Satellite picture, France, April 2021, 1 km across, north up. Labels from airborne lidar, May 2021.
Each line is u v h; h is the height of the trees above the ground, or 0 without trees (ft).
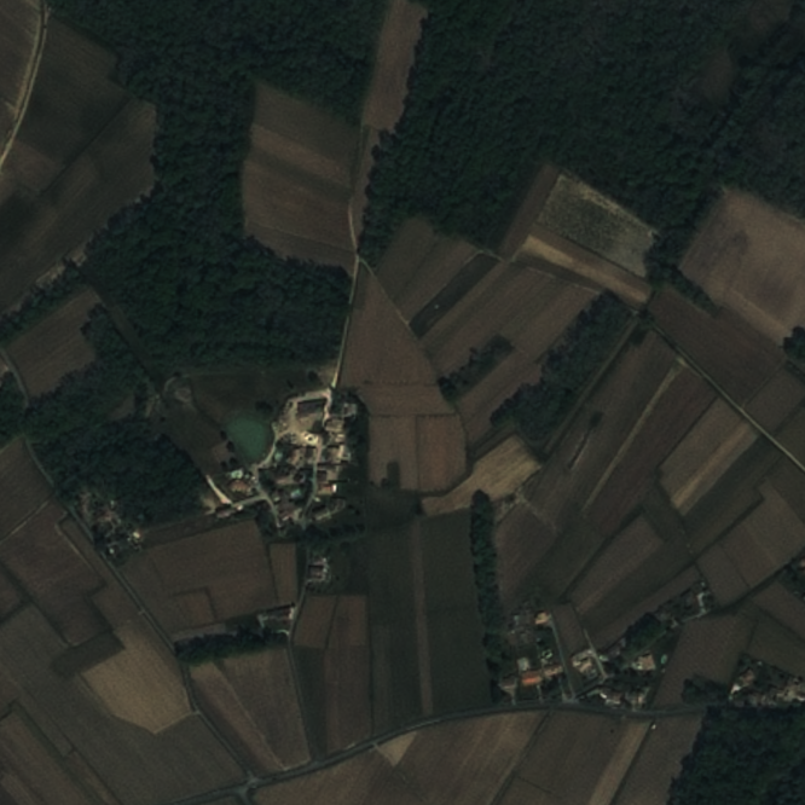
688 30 69
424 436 0
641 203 50
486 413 0
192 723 0
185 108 71
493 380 0
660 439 0
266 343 53
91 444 39
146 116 0
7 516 0
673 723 0
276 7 56
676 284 55
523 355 0
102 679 0
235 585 0
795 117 67
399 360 0
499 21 59
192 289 77
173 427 0
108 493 65
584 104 60
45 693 0
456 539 0
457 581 0
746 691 19
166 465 71
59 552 0
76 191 0
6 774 0
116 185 0
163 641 0
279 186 0
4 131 0
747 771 79
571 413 0
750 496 0
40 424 49
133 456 80
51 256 0
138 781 0
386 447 0
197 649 54
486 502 64
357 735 0
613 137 39
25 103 0
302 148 0
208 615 0
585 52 52
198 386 0
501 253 0
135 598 0
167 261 100
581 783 0
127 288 44
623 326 72
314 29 52
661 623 26
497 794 0
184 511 66
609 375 0
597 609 0
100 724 0
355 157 0
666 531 0
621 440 0
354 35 52
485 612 50
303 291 59
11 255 0
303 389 0
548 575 0
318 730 0
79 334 0
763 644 0
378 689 0
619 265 0
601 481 0
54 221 0
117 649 0
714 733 68
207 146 63
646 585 0
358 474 0
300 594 0
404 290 0
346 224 0
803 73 73
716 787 77
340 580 0
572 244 0
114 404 47
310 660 0
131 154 0
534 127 73
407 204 72
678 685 0
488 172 72
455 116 70
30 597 0
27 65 0
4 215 0
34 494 0
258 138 0
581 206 0
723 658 0
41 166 0
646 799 0
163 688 0
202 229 100
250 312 75
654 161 56
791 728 79
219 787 0
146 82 65
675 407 0
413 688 0
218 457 0
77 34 0
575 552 0
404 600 0
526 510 0
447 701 0
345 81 66
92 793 0
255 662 0
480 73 61
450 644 0
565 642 0
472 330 0
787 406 0
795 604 0
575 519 0
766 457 0
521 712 0
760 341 0
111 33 45
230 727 0
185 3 57
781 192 53
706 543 0
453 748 0
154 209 69
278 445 28
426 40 46
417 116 59
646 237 0
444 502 0
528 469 0
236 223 82
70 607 0
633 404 0
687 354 0
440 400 0
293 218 0
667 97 75
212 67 85
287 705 0
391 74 0
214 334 68
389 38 0
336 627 0
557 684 32
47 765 0
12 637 0
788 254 0
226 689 0
